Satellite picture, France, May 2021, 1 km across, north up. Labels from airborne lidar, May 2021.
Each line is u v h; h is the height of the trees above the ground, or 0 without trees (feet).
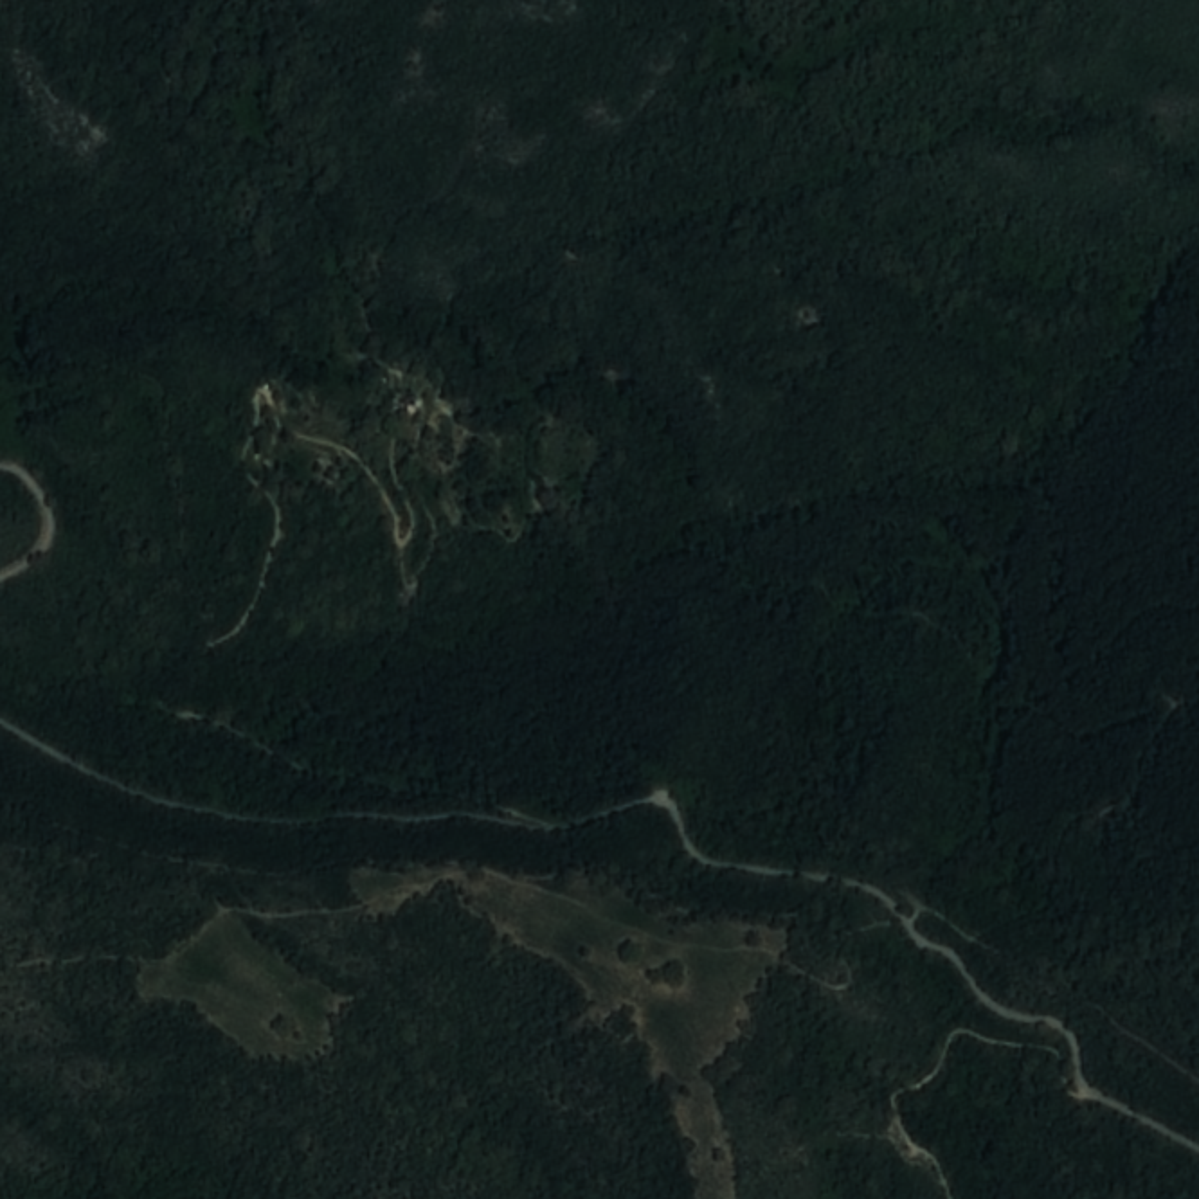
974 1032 22
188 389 26
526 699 44
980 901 36
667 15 48
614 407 81
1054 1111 36
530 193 27
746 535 45
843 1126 20
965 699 48
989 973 20
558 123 38
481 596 34
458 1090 44
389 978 17
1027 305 32
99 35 44
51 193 42
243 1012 0
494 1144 34
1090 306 47
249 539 21
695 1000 0
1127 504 74
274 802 36
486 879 30
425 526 17
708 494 30
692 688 33
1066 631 60
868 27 20
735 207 24
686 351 22
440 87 20
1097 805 48
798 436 58
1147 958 36
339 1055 26
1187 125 27
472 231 17
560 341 63
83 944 24
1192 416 69
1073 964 37
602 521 54
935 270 20
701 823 35
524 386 21
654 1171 34
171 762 30
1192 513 56
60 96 23
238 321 77
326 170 48
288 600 24
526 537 29
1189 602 57
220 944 0
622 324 44
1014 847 58
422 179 30
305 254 50
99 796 28
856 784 40
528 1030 32
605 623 63
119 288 91
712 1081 32
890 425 25
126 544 45
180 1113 24
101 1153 35
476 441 40
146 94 35
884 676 31
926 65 29
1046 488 64
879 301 52
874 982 32
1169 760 47
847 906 21
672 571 54
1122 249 21
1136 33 19
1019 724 49
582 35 33
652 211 37
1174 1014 34
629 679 53
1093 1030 34
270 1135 28
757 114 44
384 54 28
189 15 50
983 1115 48
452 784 37
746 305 36
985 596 20
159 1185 27
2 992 21
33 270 54
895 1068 35
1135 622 33
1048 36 37
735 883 23
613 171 33
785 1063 34
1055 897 35
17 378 42
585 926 0
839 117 24
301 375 63
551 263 35
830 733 26
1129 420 53
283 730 25
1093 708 58
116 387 23
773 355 45
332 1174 19
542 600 87
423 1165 26
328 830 28
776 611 62
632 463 42
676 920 23
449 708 57
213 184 26
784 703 56
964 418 21
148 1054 20
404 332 66
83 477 24
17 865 18
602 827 34
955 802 35
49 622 20
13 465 0
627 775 45
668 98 51
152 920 23
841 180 26
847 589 55
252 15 51
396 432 46
